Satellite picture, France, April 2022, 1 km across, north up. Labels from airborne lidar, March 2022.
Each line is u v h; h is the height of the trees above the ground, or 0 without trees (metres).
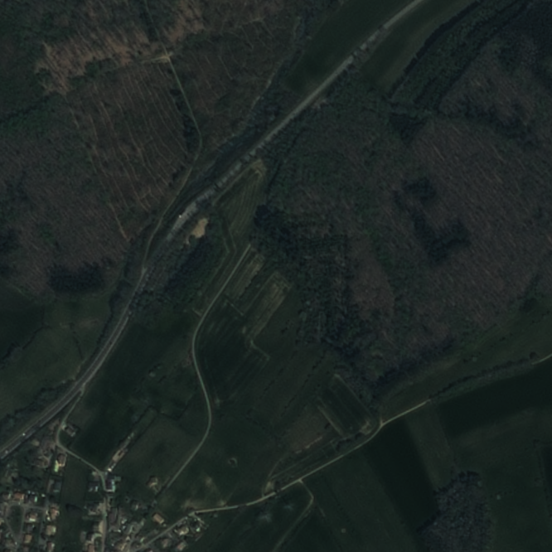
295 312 0
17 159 27
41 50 32
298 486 0
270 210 20
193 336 0
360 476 0
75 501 0
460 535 23
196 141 34
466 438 0
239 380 0
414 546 0
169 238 0
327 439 0
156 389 0
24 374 0
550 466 0
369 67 0
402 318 24
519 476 0
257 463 0
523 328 0
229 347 0
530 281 27
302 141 22
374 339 25
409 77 20
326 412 0
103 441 0
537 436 0
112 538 0
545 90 26
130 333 0
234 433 0
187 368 0
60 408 0
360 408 0
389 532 0
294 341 0
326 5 24
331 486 0
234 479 0
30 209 27
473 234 26
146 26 25
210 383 0
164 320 0
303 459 0
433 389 0
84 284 29
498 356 0
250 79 29
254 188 0
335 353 17
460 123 27
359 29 0
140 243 25
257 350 0
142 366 0
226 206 0
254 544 0
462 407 0
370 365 25
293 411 0
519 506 0
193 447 0
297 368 0
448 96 22
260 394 0
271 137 0
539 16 27
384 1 0
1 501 9
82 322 0
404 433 0
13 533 0
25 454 0
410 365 26
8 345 0
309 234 13
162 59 0
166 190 10
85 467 0
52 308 0
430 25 0
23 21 31
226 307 0
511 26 23
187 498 0
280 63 12
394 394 8
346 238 8
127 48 28
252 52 31
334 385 0
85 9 32
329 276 9
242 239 0
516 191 34
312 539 0
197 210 0
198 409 0
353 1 0
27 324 0
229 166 0
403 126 21
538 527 0
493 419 0
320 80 0
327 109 20
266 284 0
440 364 21
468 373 0
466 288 25
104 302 0
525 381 0
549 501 6
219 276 0
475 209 31
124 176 27
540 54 25
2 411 0
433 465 0
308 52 0
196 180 0
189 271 29
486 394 0
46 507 0
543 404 0
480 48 8
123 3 31
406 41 0
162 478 0
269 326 0
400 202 29
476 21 17
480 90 26
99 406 0
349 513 0
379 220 26
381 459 0
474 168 29
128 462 0
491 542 16
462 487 22
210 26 33
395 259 23
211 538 0
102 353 0
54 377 0
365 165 26
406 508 0
